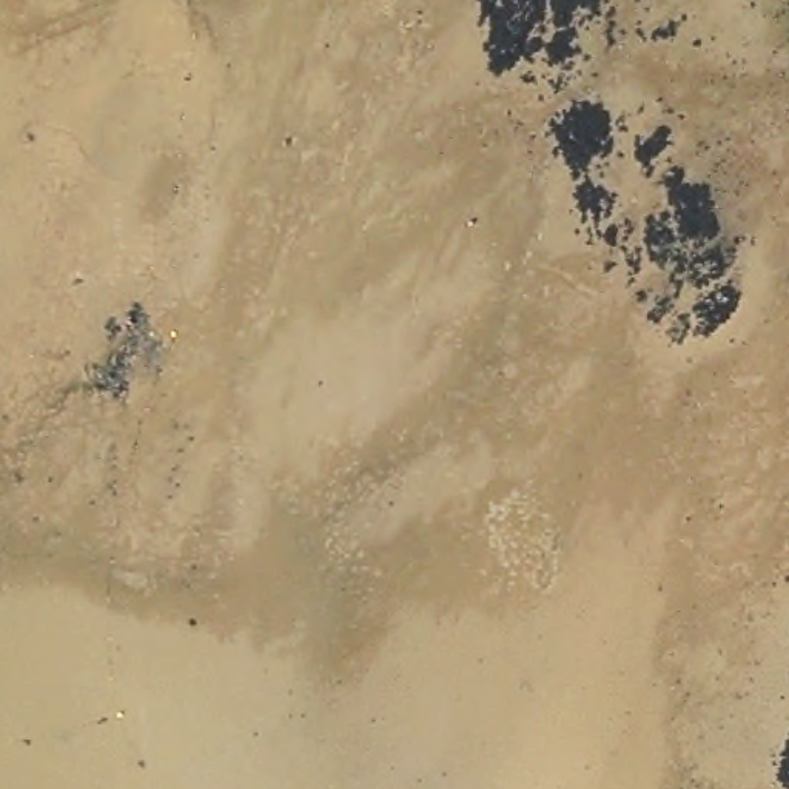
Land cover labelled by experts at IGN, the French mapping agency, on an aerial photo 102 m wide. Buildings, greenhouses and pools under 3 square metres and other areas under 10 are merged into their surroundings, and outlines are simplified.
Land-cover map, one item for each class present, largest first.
<instances>
[{"label":"bare soil","instance_id":"1","mask_svg":"<svg viewBox=\"0 0 789 789\"><path fill-rule=\"evenodd\" d=\"M576 37L570 59L552 65L549 52H533L530 59H518L509 71L493 74L487 59L490 22L481 15L478 0H0V789H789V0H601L598 9H573Z\"/></svg>","mask_w":789,"mask_h":789},{"label":"herbaceous vegetation","instance_id":"2","mask_svg":"<svg viewBox=\"0 0 789 789\"><path fill-rule=\"evenodd\" d=\"M481 15L490 22L487 59L493 74L509 71L518 59H530L533 52H549L552 65L570 59L576 37L573 9H598L601 0H478Z\"/></svg>","mask_w":789,"mask_h":789}]
</instances>
